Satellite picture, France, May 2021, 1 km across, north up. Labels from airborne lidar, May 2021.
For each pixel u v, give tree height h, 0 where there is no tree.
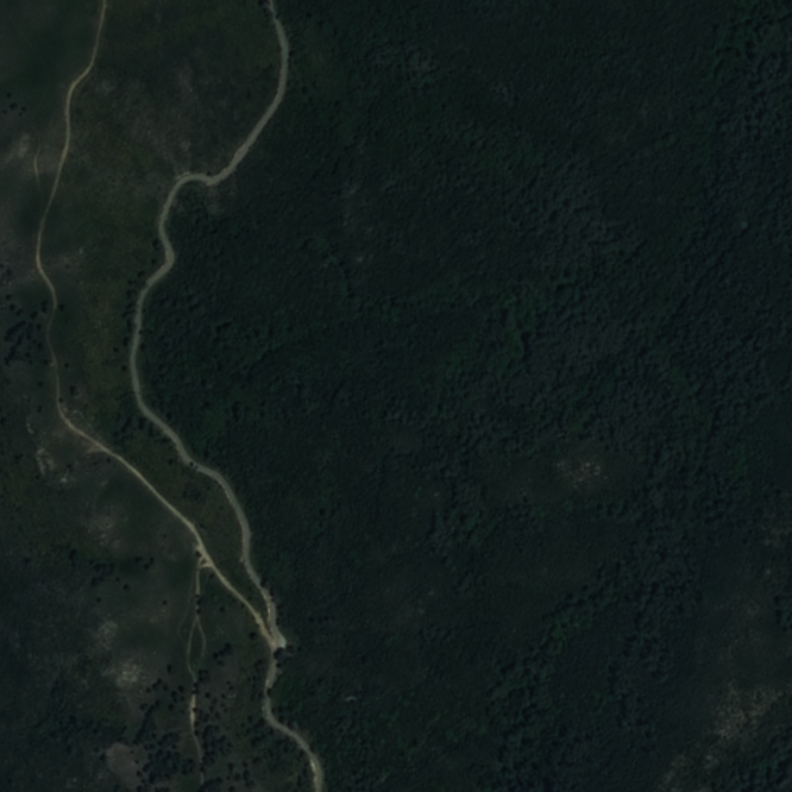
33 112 0
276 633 0
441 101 18
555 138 17
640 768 8
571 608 28
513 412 14
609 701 9
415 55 23
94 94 0
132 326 18
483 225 12
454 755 6
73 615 0
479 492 22
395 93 16
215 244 12
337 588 8
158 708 12
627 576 25
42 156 0
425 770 7
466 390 23
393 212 17
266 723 23
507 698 17
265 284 10
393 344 9
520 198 16
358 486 7
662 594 21
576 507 9
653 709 9
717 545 25
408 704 9
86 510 0
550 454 6
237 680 0
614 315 13
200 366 12
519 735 29
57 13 0
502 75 7
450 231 12
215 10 0
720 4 15
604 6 11
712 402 16
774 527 7
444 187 17
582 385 21
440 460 26
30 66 0
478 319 22
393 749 6
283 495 7
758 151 10
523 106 17
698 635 7
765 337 19
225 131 0
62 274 0
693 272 16
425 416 19
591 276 24
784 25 13
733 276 18
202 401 10
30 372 0
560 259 26
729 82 13
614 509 25
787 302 11
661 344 21
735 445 8
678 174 19
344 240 10
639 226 17
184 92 0
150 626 0
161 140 0
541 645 12
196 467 19
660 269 18
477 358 15
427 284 14
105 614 0
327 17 7
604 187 18
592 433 18
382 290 9
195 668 0
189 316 6
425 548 9
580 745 23
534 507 21
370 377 14
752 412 21
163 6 0
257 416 11
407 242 13
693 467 22
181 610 0
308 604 8
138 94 0
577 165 22
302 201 9
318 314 13
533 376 20
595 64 21
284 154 6
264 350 19
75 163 0
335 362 15
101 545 0
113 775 0
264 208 9
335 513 11
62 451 0
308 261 15
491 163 17
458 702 7
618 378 12
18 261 0
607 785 8
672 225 20
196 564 0
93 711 0
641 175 14
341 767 5
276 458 6
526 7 8
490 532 17
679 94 9
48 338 0
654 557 30
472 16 14
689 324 13
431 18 13
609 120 8
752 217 10
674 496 14
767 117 23
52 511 0
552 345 19
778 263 13
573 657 7
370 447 6
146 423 21
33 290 0
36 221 0
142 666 0
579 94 18
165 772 15
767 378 24
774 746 18
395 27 19
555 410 18
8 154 0
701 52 16
